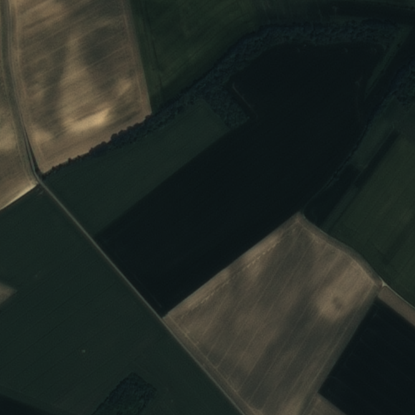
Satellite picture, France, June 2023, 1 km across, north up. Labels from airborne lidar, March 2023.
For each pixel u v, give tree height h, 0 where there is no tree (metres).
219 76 14
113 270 0
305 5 0
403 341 0
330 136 0
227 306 0
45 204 0
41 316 0
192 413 0
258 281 0
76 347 0
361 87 0
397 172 0
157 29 0
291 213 0
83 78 0
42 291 0
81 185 0
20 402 0
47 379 0
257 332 0
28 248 0
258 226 0
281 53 0
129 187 0
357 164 0
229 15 0
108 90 0
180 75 0
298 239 0
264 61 0
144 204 0
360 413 0
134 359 0
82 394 0
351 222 0
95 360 0
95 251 0
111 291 0
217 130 0
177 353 0
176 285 0
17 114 0
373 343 0
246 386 0
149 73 0
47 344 0
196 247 0
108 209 0
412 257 0
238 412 0
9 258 0
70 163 7
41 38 0
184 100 17
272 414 0
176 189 0
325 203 0
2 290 0
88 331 0
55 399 0
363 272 0
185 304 0
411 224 0
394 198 0
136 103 0
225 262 0
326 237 0
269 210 0
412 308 0
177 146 0
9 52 0
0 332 0
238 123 7
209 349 0
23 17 0
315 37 9
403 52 0
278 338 0
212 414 0
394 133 0
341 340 0
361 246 0
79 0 0
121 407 13
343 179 0
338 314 0
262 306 0
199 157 0
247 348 0
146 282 0
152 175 0
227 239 0
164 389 0
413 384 0
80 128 0
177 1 0
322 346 0
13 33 0
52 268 0
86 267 0
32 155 0
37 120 0
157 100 0
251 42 20
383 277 0
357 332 0
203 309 0
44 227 0
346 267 0
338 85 0
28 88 0
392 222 0
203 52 0
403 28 0
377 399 0
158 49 0
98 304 0
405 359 0
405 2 0
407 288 0
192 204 0
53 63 0
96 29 0
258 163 0
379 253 0
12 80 0
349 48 0
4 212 0
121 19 0
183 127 0
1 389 0
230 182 0
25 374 0
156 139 0
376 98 0
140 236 0
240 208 0
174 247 0
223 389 0
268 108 0
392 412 0
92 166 0
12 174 0
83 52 0
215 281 0
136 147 0
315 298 0
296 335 0
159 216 0
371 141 0
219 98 16
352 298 0
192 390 0
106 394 0
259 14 0
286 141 0
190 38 0
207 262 0
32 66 0
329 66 0
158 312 0
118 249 0
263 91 0
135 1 0
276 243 0
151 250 0
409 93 22
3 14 0
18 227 0
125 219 0
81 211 0
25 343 0
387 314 0
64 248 0
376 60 0
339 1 0
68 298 0
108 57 0
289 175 0
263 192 0
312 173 0
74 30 0
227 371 0
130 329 0
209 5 0
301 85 0
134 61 0
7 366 0
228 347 0
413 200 0
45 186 0
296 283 0
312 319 0
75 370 0
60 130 0
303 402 0
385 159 0
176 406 0
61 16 0
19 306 0
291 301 0
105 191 0
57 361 0
